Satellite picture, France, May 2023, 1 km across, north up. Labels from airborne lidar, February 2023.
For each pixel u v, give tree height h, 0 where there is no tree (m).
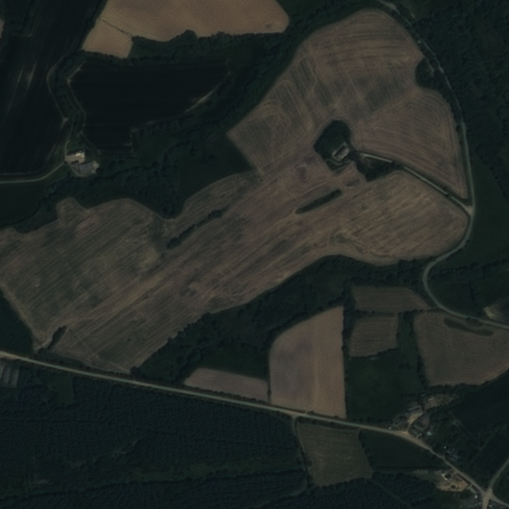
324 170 0
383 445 0
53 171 0
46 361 10
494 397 0
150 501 24
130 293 0
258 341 0
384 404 0
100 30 0
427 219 0
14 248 0
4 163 0
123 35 0
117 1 0
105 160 0
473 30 18
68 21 0
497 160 15
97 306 0
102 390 19
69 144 0
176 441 17
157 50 11
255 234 0
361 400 0
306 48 0
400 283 10
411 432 0
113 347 0
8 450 20
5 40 11
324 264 8
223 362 0
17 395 13
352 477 0
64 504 18
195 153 17
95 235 0
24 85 0
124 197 0
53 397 11
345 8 7
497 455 0
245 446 20
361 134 0
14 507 19
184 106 0
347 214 0
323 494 19
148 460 15
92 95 0
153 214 0
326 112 0
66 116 0
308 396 0
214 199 0
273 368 0
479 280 11
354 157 16
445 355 0
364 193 0
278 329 10
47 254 0
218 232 0
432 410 7
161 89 0
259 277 0
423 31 23
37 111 0
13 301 0
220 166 0
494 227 0
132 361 0
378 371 0
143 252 0
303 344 0
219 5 0
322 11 7
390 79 0
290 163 0
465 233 0
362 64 0
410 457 0
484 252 0
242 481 24
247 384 0
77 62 13
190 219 0
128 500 24
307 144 0
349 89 0
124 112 0
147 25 0
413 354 0
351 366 0
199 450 18
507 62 11
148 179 17
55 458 8
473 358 0
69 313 0
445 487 0
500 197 0
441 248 0
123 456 11
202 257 0
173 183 16
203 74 0
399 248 0
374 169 0
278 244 0
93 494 22
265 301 15
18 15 0
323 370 0
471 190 0
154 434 20
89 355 0
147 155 0
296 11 0
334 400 0
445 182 0
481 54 15
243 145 0
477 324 7
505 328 0
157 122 0
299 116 0
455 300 0
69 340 0
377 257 0
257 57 0
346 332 11
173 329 0
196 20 0
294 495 0
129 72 0
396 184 0
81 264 0
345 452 0
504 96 19
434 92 0
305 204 0
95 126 0
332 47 0
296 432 0
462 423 0
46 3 0
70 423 20
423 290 7
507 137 19
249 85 13
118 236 0
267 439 18
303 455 9
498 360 0
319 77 0
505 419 0
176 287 0
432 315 0
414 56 0
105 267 0
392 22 0
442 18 18
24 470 14
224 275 0
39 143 0
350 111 0
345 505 23
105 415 19
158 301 0
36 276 0
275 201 0
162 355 9
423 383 13
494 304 0
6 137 0
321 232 0
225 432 19
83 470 9
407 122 0
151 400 19
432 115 0
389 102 0
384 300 0
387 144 0
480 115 19
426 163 0
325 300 0
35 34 0
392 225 0
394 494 22
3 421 21
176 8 0
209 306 0
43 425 22
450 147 0
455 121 11
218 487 22
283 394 0
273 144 0
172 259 0
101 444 20
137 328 0
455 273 9
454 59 23
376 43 0
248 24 0
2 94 0
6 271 0
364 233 0
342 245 0
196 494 20
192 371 6
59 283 0
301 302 12
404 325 0
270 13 0
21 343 14
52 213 0
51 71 0
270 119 0
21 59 0
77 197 14
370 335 0
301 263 0
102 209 0
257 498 23
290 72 0
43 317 0
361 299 0
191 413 18
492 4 9
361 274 12
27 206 0
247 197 0
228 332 0
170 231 0
